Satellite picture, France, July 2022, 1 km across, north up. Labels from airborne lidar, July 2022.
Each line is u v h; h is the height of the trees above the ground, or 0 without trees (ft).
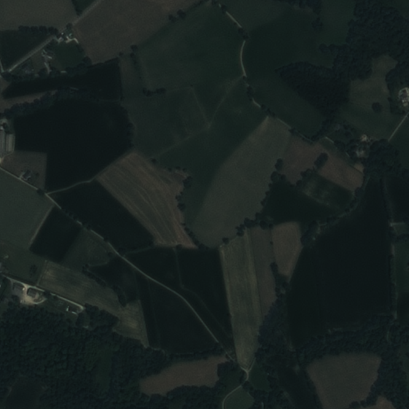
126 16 0
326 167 0
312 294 0
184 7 0
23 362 41
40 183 0
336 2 0
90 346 101
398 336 92
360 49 62
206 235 0
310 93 76
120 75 25
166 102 0
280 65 0
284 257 0
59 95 65
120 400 70
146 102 0
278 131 0
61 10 0
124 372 64
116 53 0
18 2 0
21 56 0
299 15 0
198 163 0
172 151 0
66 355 69
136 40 0
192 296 0
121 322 0
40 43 0
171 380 0
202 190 0
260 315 0
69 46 0
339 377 0
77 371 60
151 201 0
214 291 0
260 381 0
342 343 77
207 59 0
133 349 39
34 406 0
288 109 0
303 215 0
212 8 0
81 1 0
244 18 0
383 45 62
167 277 0
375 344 76
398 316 0
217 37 0
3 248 0
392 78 95
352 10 0
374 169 74
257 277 0
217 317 0
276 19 0
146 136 0
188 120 0
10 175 0
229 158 0
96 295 0
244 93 0
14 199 0
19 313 68
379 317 61
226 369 64
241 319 0
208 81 0
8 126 43
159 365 72
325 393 0
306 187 0
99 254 0
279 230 0
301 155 0
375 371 0
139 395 79
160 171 0
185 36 0
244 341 0
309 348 78
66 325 60
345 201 0
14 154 0
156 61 0
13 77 61
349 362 0
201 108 0
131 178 0
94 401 84
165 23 0
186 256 0
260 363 43
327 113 71
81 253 0
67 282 0
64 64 0
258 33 0
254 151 0
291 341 0
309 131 0
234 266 0
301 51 0
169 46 0
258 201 0
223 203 0
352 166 0
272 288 0
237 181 0
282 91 0
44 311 58
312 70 81
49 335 74
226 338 0
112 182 0
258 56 0
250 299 0
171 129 0
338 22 0
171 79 0
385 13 51
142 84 0
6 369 57
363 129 0
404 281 0
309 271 0
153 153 0
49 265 0
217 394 71
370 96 0
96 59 0
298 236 0
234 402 0
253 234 0
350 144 25
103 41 0
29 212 0
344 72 82
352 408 43
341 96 78
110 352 0
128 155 0
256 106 0
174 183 0
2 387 67
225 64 0
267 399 74
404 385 90
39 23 0
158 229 0
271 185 28
